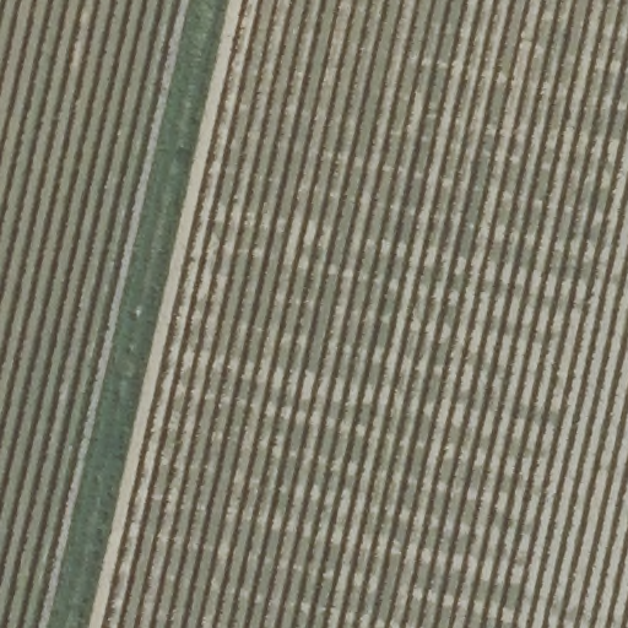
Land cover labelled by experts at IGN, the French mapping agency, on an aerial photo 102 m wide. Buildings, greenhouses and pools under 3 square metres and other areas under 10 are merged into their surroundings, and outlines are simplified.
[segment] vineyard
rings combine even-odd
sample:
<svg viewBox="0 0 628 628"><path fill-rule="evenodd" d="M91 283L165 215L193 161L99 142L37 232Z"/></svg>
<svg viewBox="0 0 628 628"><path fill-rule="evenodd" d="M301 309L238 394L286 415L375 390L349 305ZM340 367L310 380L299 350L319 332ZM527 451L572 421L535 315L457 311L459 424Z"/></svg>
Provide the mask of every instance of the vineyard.
<svg viewBox="0 0 628 628"><path fill-rule="evenodd" d="M186 5L191 0L0 0L0 628L49 628L74 505L79 498L88 444L93 437L120 302L130 272L145 194L155 164L159 128L177 66Z"/></svg>
<svg viewBox="0 0 628 628"><path fill-rule="evenodd" d="M103 569L88 628L628 628L628 0L231 0L226 5L216 66L199 128L199 142L191 162L186 199L182 206L177 240L169 260L169 275L157 316L147 373L142 380L140 405L132 424L125 471L120 481L113 527L103 557Z"/></svg>

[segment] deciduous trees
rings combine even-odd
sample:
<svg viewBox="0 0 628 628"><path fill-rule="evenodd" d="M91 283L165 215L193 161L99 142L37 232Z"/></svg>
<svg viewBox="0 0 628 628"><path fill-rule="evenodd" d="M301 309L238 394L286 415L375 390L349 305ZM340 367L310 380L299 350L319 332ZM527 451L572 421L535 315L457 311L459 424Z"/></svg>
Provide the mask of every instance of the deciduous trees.
<svg viewBox="0 0 628 628"><path fill-rule="evenodd" d="M74 505L49 628L88 628L103 569L103 557L113 527L120 481L125 471L132 424L140 405L142 380L147 373L157 316L169 275L169 260L177 240L182 206L186 199L191 162L199 142L199 128L216 66L226 5L231 0L191 0L186 5L177 66L159 128L155 164L145 194L130 272L120 302L93 437L88 444L79 498Z"/></svg>

